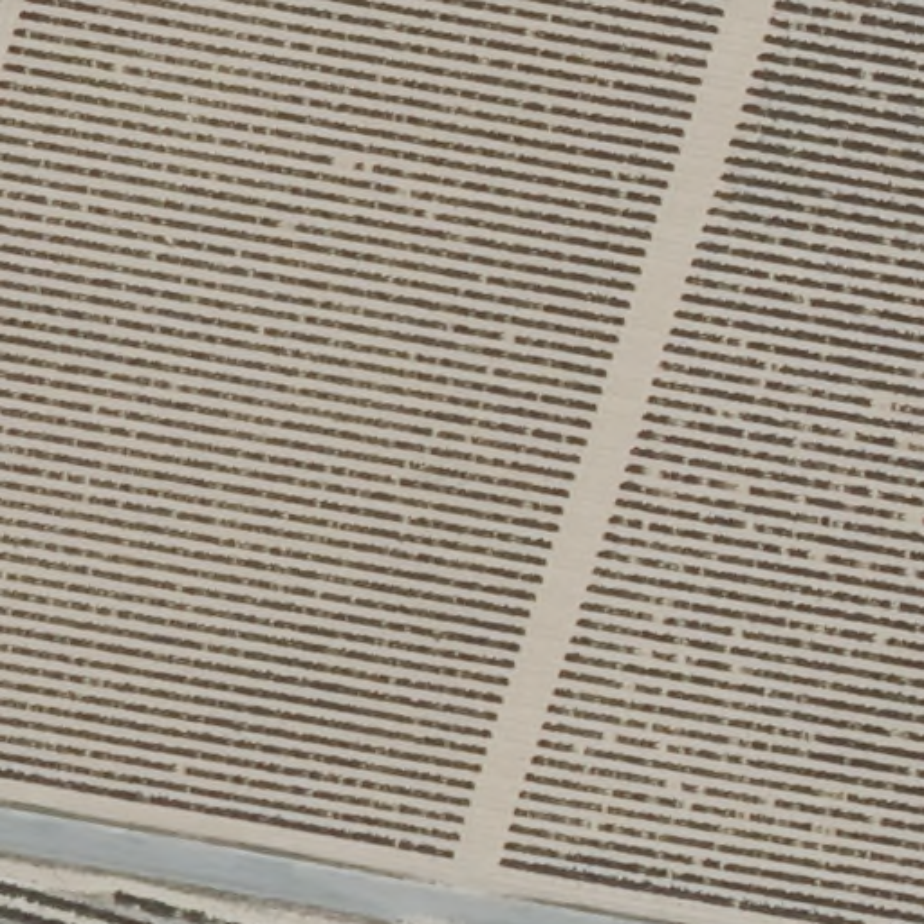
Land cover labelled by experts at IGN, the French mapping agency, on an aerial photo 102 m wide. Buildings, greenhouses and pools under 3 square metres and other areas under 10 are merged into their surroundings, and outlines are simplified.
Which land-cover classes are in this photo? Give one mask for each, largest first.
<instances>
[{"label":"vineyard","instance_id":"1","mask_svg":"<svg viewBox=\"0 0 924 924\"><path fill-rule=\"evenodd\" d=\"M729 0H0V809L152 834L170 841L238 848L253 855H274L390 881H408V873L401 866L411 852L430 859H455L458 834L375 819L372 809L462 823L473 801V783L480 776L502 704L498 686H509L505 675H484L476 671V664H516L527 610L534 603L541 567L559 531L567 498L563 480H574L581 448L588 440L596 404L585 401V393H599L606 379V361L614 357V343L621 336L624 310L639 278V267L628 263V256H646L657 206L671 180V162L682 148V130L689 123L693 94L704 79L711 51L707 40H700V32H718L722 7ZM776 7L769 11V32L744 101L747 123H736V137L729 141L725 173L711 199L707 224L700 231V245L686 274V292L679 300L664 343L661 368L679 372L682 383L653 379L657 390L704 393L718 401L715 408L671 397L646 401L642 430L628 455L624 484L606 520V541L596 556L588 592L653 603V614L581 603L578 635L570 639L563 671L556 679V697L574 700V707L549 704L541 725L549 733H567L570 744L538 740L531 772L523 776L520 790V798L541 805H567L570 816L513 809L509 841L502 848L505 870L494 881L502 895L523 892L520 906L538 902L545 910H570L624 924H924V0H772ZM0 924H235L126 892L65 899L40 888L0 881Z\"/></svg>","mask_w":924,"mask_h":924},{"label":"plowed land","instance_id":"2","mask_svg":"<svg viewBox=\"0 0 924 924\"><path fill-rule=\"evenodd\" d=\"M776 7L772 0H729L722 7L718 32H700V40H707L711 51L704 79L693 94L689 123L682 130V148L671 162V180L657 206L646 256H628V263L639 267V278L624 310L621 336L614 343V357L606 361V379L599 393H585V401L596 404L588 440L581 448L574 480H563L567 498L559 531L541 567L534 603L527 610L516 664H476V671L484 675H505L509 686H498L502 704L480 776L473 783V801L462 823L372 809L375 819L458 834L455 859H430L411 852L401 866L408 873L440 877L455 895L469 899L502 895L494 881L505 870L502 848L509 841L513 809L570 816L567 805H541L520 798V790L523 776L531 772L538 740L570 744L567 733H549L541 725L549 704L574 707V700L556 697V679L563 671L570 639L578 635L581 603L653 614V603L588 592L596 556L606 541V520L624 484L628 455L642 430L646 401L671 397L715 408L718 401L704 393L657 390L653 379L682 383L679 372L661 368L664 343L679 300L686 292V274L700 245V231L707 224L711 199L725 173L729 141L736 137V123H747L744 101L769 32V11ZM0 881L40 888L65 899L126 892L235 924H300L307 913L253 910L126 877H90L0 859Z\"/></svg>","mask_w":924,"mask_h":924},{"label":"impervious surface","instance_id":"3","mask_svg":"<svg viewBox=\"0 0 924 924\"><path fill-rule=\"evenodd\" d=\"M0 848L54 855L65 863H101L105 873L116 866H130L144 873H166L249 895H282L292 902L365 910L393 924H624L570 910H545L538 902L520 906L523 892L502 895L469 899L455 895L440 877L408 873V881H390L274 855H253L238 848L170 841L152 834L0 809Z\"/></svg>","mask_w":924,"mask_h":924},{"label":"herbaceous vegetation","instance_id":"4","mask_svg":"<svg viewBox=\"0 0 924 924\"><path fill-rule=\"evenodd\" d=\"M0 859L90 877H126L253 910L307 913L300 924H393L365 910L292 902L282 895H249L166 873H144L130 866H116L105 873L101 863H65L54 855L0 848Z\"/></svg>","mask_w":924,"mask_h":924}]
</instances>
